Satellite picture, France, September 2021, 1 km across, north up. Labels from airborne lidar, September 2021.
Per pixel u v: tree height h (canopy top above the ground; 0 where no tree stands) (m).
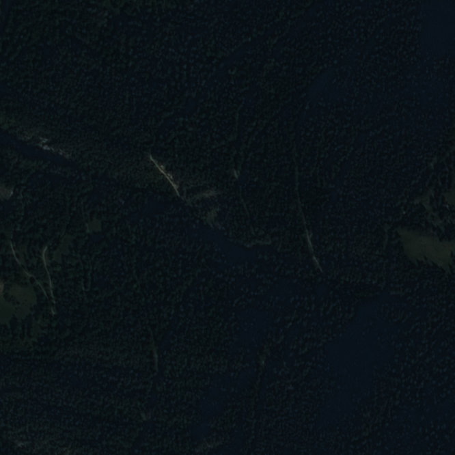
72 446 15
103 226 12
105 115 23
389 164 20
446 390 20
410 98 19
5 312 0
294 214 14
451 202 0
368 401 11
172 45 18
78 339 24
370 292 16
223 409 14
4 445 17
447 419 12
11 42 15
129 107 19
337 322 26
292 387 25
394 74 23
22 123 14
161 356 8
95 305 24
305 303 11
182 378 11
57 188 30
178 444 22
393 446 21
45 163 18
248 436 24
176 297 21
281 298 23
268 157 24
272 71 24
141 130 22
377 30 7
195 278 18
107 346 19
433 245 0
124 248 25
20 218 14
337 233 22
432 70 15
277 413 13
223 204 18
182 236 25
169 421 22
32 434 15
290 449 16
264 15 26
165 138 21
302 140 20
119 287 31
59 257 0
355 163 28
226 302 17
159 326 8
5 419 17
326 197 9
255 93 26
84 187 11
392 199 18
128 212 11
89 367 25
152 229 16
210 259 22
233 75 16
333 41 21
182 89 12
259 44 15
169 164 24
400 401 7
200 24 18
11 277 7
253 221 9
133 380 20
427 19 23
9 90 28
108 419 19
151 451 13
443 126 22
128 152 23
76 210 14
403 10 24
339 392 17
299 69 29
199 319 15
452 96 16
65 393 14
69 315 21
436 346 12
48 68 24
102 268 8
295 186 22
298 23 13
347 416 21
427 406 14
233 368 9
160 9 10
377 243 10
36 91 29
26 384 17
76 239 9
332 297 18
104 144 16
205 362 10
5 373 23
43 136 12
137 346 23
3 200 0
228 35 22
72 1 26
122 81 24
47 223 12
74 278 14
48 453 11
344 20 21
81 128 18
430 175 17
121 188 17
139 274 22
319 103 27
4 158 18
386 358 30
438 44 10
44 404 19
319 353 23
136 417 20
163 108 19
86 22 26
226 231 12
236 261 15
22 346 7
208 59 11
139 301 30
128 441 19
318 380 20
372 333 23
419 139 21
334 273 26
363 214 22
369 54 19
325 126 24
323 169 14
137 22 25
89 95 23
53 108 10
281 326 17
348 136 19
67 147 16
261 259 7
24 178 14
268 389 23
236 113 15
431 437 7
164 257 19
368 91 26
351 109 32
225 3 22
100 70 30
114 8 13
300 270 24
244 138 28
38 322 9
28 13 30
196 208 8
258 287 30
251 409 22
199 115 18
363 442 33
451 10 10
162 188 15
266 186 29
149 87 17
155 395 8
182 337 21
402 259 18
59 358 19
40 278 12
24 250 0
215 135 21
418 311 11
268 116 23
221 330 21
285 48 27
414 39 21
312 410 13
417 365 32
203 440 11
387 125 29
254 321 19
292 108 22
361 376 24
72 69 28
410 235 0
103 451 28
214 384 19
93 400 22
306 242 12
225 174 11
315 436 13
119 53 14
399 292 29
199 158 18
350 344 15
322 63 20
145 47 29
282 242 21
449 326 31
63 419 18
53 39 28
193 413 13
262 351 24
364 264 27
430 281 19
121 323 19
